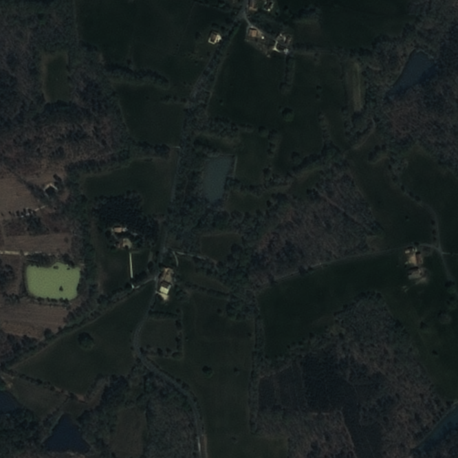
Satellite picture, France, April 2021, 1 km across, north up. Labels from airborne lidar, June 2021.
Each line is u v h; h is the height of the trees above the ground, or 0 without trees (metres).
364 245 15
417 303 0
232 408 0
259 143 0
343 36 0
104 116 25
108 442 15
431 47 23
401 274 0
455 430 23
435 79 26
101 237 0
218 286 0
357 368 18
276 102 0
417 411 9
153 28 0
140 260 0
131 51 0
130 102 0
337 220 18
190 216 24
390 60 18
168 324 0
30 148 15
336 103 0
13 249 0
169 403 23
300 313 0
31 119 7
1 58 14
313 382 8
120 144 14
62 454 0
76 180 21
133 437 0
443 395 0
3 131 22
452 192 0
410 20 0
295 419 21
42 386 13
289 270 11
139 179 0
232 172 8
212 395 0
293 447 19
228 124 20
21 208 0
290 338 0
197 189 18
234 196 0
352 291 0
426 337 0
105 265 0
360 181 0
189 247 9
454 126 18
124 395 24
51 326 0
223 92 0
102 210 12
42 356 0
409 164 0
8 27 11
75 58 23
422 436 18
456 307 7
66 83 0
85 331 0
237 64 0
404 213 0
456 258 0
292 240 13
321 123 12
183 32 0
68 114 25
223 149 0
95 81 13
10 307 0
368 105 21
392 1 0
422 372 15
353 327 9
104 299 12
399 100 16
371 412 10
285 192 0
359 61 16
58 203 16
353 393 7
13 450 9
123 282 0
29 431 26
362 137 18
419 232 0
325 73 0
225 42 17
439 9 21
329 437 18
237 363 0
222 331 0
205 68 0
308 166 23
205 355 0
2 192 0
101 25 0
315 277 0
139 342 0
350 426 6
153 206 0
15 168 10
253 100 0
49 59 0
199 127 13
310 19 22
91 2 0
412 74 0
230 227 18
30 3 26
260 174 0
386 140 18
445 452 17
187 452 14
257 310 16
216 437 0
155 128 0
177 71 0
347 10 0
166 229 17
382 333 10
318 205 16
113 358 0
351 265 0
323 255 14
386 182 0
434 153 16
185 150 20
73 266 14
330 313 0
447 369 0
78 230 15
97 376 0
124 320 0
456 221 0
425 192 0
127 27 0
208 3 16
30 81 14
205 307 0
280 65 0
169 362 0
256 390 12
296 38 0
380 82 20
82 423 19
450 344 0
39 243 0
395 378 15
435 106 24
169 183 0
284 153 0
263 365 9
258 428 11
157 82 22
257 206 0
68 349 0
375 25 0
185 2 0
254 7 0
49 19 18
